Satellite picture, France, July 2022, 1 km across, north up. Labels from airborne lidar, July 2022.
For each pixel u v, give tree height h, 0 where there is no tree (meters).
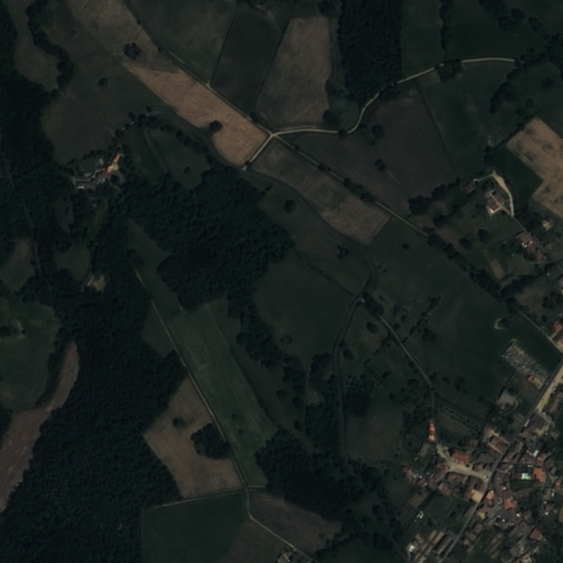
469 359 0
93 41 0
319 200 0
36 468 22
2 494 0
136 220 19
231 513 0
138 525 9
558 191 0
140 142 0
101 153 7
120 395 20
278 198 0
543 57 17
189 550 0
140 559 16
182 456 0
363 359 0
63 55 20
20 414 0
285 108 0
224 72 0
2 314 0
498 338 0
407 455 0
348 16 12
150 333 0
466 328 0
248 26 0
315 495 22
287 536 0
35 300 11
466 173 0
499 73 0
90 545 21
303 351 0
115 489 10
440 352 0
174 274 17
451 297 0
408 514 0
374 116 0
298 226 0
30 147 21
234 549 0
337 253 0
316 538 0
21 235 7
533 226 11
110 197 9
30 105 14
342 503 17
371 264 0
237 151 0
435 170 0
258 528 0
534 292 0
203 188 17
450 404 11
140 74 0
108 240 21
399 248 0
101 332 24
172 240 15
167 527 0
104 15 0
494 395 0
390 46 20
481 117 0
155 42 0
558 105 0
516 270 0
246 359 0
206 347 0
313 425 17
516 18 19
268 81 0
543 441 6
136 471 18
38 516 22
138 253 8
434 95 0
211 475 0
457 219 0
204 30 0
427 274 0
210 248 19
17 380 0
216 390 0
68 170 9
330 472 14
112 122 0
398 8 14
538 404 0
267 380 0
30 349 0
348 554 0
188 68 0
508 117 0
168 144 0
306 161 0
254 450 0
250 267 18
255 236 21
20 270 0
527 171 0
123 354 20
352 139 0
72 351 0
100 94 0
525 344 0
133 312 21
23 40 0
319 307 0
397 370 0
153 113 10
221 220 16
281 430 8
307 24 0
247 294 20
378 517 16
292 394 0
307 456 16
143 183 23
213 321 0
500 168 0
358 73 13
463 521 0
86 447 23
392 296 0
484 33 0
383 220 0
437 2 0
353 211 0
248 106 0
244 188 14
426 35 0
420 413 8
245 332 8
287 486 15
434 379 13
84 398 16
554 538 6
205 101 0
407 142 0
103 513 12
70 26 0
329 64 0
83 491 19
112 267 20
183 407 0
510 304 21
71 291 19
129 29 0
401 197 0
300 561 6
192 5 0
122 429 16
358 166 0
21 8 0
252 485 0
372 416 0
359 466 11
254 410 0
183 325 0
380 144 0
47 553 22
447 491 0
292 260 0
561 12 0
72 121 0
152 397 22
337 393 12
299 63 0
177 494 8
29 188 23
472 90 0
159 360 10
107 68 0
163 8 0
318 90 0
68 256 0
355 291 0
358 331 0
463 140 0
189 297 21
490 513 0
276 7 0
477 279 22
